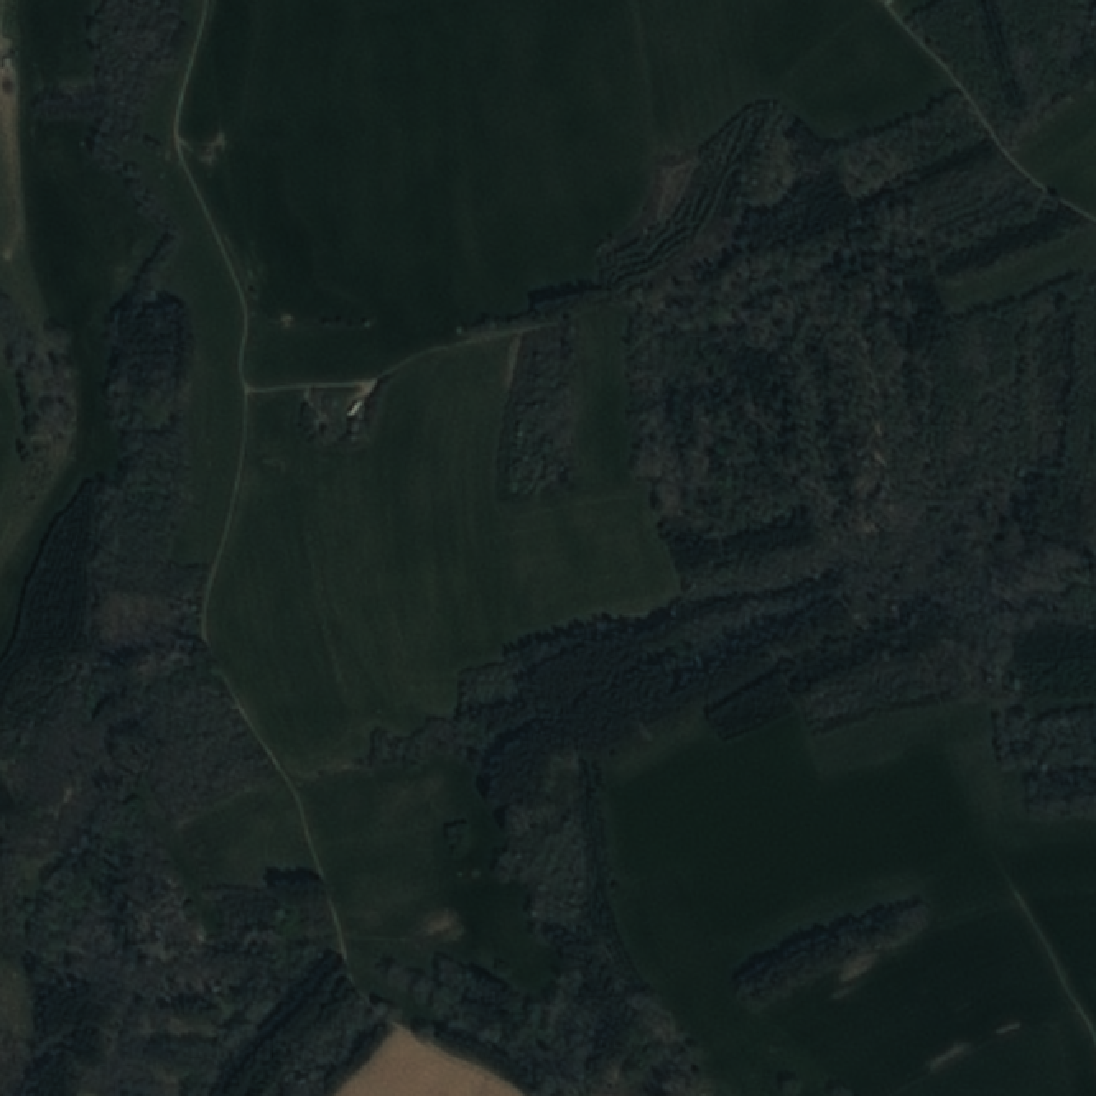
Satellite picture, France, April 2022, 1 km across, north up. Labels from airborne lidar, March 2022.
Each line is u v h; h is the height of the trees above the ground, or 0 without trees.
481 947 0
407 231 0
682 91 0
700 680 27
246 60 0
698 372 25
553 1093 32
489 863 0
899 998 0
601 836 11
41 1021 18
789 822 0
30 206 0
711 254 0
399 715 0
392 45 0
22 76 0
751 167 10
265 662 0
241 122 0
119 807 23
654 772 0
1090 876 0
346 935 0
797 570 16
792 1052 0
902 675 6
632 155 0
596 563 0
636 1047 7
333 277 0
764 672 30
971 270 6
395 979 19
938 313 11
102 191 0
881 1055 0
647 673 34
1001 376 16
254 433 0
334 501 0
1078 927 0
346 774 0
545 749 33
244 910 13
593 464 0
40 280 0
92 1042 25
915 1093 0
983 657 25
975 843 0
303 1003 17
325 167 0
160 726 23
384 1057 0
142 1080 6
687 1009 0
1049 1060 0
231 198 0
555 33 0
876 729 0
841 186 18
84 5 0
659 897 0
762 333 14
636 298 11
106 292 0
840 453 16
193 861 0
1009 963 0
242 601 0
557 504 0
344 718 0
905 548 11
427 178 0
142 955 13
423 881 0
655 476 13
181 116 0
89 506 13
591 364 0
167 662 24
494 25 0
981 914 0
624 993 10
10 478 0
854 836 0
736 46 0
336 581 0
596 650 32
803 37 0
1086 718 12
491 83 0
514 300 0
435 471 0
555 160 0
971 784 0
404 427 0
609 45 0
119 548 32
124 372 20
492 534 0
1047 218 10
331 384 0
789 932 0
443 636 0
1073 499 12
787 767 0
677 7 0
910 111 0
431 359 0
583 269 0
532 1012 13
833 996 0
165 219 19
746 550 14
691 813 0
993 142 10
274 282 0
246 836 0
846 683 6
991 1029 0
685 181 0
